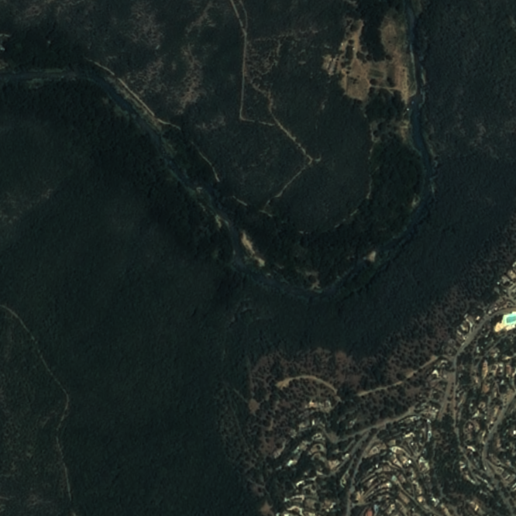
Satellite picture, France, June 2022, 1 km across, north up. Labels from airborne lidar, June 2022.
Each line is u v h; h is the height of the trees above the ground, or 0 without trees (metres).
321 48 10
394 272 10
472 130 7
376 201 19
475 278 9
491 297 8
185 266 8
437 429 8
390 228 6
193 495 11
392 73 0
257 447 10
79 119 16
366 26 14
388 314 6
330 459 13
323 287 10
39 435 8
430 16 12
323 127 10
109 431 8
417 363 8
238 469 8
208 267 11
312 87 13
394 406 12
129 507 12
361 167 11
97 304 6
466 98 6
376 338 8
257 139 7
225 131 8
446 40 7
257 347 6
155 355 13
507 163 6
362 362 7
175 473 13
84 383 9
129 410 9
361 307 9
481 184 6
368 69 0
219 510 6
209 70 6
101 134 15
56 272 9
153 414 21
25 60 14
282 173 9
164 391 12
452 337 7
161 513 8
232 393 6
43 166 7
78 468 8
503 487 8
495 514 8
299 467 6
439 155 10
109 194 10
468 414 7
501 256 6
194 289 11
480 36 7
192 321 18
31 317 8
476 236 9
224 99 6
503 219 9
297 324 10
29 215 7
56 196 12
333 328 9
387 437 7
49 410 9
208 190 0
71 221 12
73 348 7
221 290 18
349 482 8
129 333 9
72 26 7
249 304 7
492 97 8
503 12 7
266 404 10
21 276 6
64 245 8
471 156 8
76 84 13
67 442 9
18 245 10
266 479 9
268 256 7
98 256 11
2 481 7
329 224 15
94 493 11
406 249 14
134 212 8
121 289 12
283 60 6
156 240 12
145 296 13
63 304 15
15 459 8
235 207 26
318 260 17
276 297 10
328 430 11
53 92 8
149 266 13
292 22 8
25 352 8
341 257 14
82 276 13
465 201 7
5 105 14
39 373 10
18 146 11
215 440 8
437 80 9
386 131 17
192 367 20
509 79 12
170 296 8
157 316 16
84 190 17
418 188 22
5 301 8
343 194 11
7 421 6
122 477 15
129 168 18
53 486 9
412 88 0
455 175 9
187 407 15
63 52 18
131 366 13
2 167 7
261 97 8
